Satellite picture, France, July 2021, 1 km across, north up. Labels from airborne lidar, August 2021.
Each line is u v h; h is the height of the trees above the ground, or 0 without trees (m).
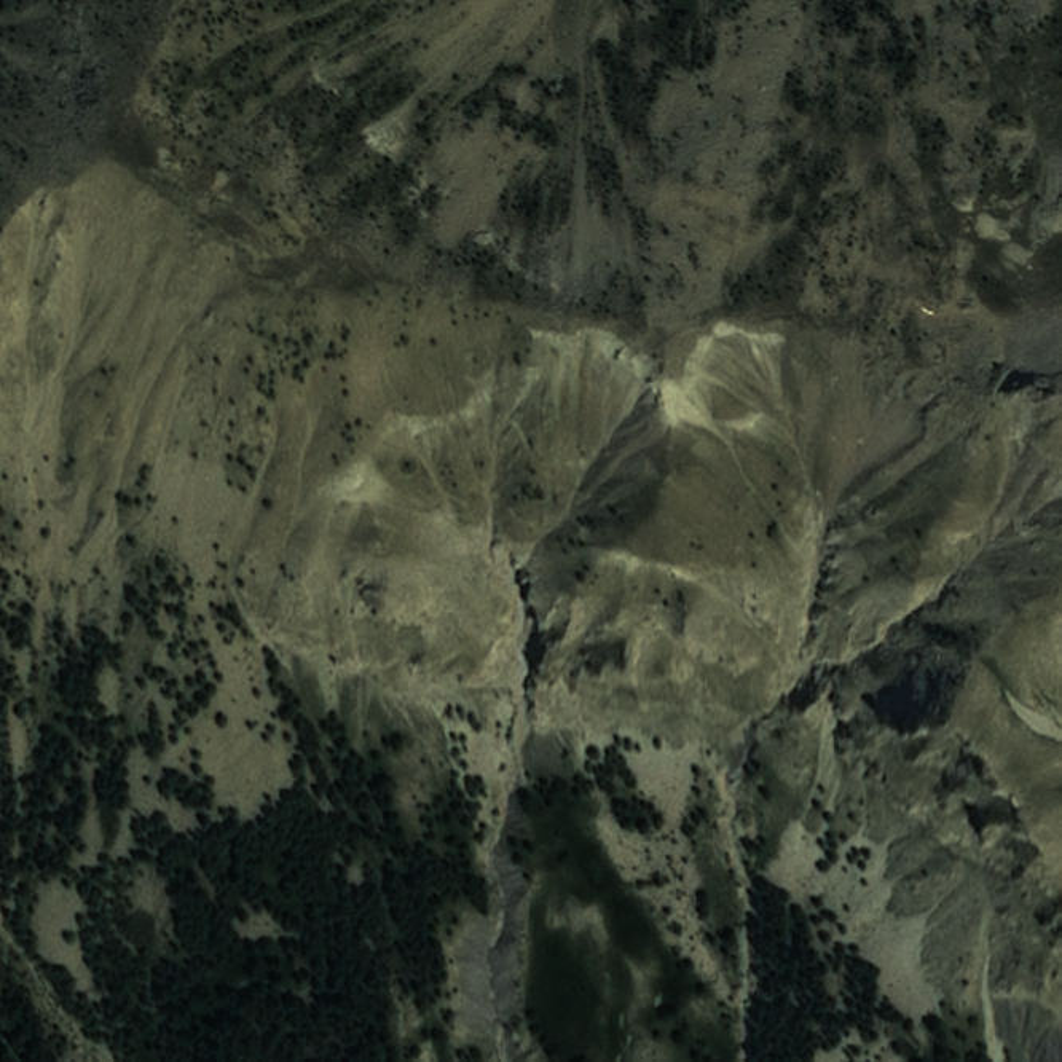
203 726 0
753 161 0
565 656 0
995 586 0
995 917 0
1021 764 0
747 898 0
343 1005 24
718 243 0
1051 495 0
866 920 0
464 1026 0
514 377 0
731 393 0
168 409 0
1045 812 0
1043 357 0
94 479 0
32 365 0
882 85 0
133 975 17
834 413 0
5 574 10
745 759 0
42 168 0
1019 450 0
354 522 0
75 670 23
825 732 0
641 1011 0
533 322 0
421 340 0
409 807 0
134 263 0
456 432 0
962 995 0
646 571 0
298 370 9
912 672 0
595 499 0
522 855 10
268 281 0
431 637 0
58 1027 12
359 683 0
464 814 11
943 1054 13
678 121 0
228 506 0
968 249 0
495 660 0
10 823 14
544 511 0
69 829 22
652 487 0
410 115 0
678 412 0
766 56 0
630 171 0
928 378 0
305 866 25
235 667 0
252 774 0
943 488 0
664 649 0
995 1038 0
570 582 0
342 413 0
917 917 0
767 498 0
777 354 0
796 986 18
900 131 0
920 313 0
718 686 0
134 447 0
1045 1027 0
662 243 0
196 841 17
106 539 0
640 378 0
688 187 0
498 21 0
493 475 0
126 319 0
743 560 0
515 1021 8
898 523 0
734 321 0
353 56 0
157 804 0
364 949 29
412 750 0
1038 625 0
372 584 0
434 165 0
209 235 0
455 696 0
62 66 0
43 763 22
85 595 0
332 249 0
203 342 0
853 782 0
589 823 0
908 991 0
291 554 0
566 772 0
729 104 0
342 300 0
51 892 0
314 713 0
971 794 0
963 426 0
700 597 0
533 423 0
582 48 0
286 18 0
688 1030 9
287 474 0
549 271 0
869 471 0
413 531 0
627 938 0
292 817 25
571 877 0
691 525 0
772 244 0
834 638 0
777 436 0
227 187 0
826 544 0
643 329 0
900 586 0
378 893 29
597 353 0
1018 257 0
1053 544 0
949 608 0
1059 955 0
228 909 24
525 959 0
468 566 0
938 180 0
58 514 0
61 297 0
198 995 26
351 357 0
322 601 0
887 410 0
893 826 0
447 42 0
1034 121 0
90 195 0
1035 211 0
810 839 0
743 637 0
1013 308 0
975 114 0
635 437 0
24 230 0
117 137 0
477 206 0
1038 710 0
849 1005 13
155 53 0
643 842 0
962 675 0
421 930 22
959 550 0
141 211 0
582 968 0
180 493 0
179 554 0
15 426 0
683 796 0
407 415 0
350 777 21
